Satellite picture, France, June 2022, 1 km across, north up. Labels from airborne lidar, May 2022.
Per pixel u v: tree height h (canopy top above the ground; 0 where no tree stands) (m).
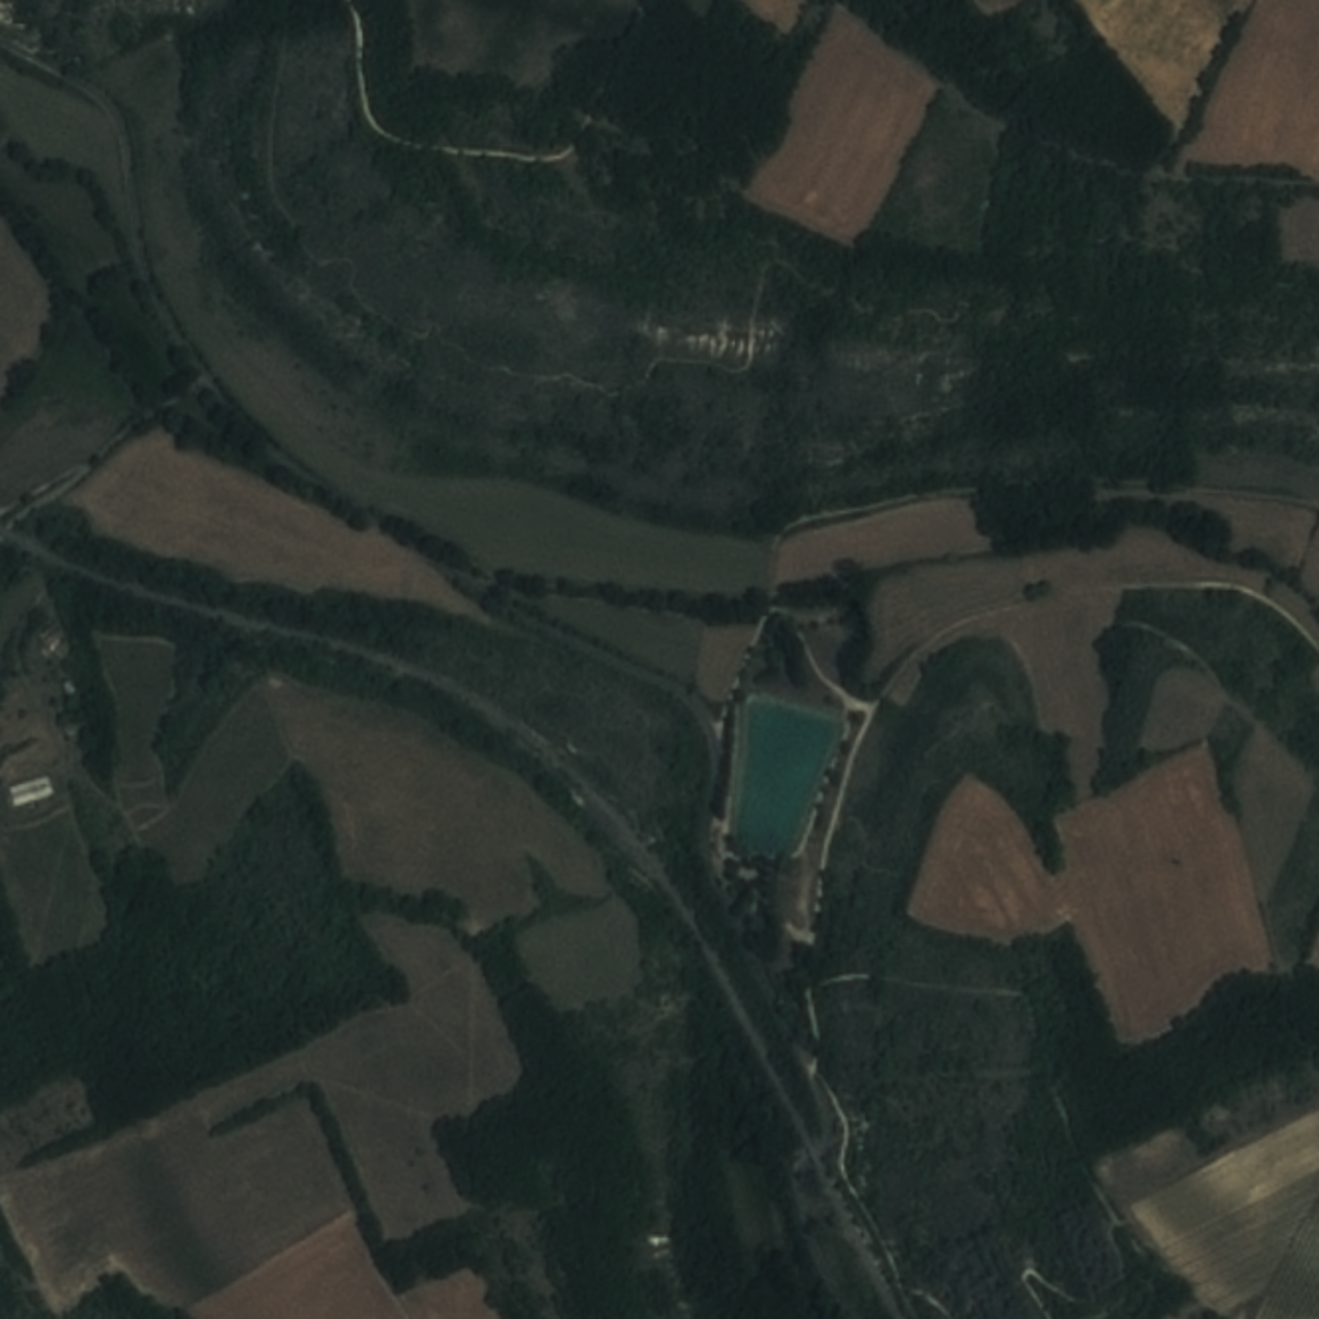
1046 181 9
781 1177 9
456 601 0
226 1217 0
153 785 0
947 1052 6
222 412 23
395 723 0
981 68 7
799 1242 15
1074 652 0
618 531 0
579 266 9
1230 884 0
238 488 0
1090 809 0
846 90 0
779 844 0
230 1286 0
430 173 6
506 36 0
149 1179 0
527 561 0
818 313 7
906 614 0
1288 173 7
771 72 13
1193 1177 0
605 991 0
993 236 11
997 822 0
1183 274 8
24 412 0
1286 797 0
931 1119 7
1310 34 0
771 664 12
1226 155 0
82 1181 0
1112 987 0
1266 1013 11
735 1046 11
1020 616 0
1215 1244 0
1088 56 9
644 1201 9
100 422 0
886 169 0
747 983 9
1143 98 9
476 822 0
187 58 9
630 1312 11
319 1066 0
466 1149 14
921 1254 9
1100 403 7
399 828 0
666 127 12
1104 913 0
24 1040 11
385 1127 0
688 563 0
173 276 0
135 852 14
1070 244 11
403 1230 0
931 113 8
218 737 0
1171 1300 12
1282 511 0
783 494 11
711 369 8
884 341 6
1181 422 11
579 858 0
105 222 14
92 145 0
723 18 12
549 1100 15
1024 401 8
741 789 0
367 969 10
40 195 0
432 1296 0
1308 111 0
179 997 12
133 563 11
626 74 11
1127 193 11
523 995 13
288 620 16
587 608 0
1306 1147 0
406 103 8
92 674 7
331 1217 0
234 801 0
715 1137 16
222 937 11
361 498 0
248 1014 8
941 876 0
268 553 0
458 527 0
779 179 0
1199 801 0
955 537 0
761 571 0
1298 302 7
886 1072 10
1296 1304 0
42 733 0
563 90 11
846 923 7
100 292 18
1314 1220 0
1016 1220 6
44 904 0
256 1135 0
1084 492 17
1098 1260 12
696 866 16
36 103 0
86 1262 0
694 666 0
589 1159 11
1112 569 0
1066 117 14
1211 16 0
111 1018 11
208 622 6
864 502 14
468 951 11
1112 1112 14
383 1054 0
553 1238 11
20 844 0
